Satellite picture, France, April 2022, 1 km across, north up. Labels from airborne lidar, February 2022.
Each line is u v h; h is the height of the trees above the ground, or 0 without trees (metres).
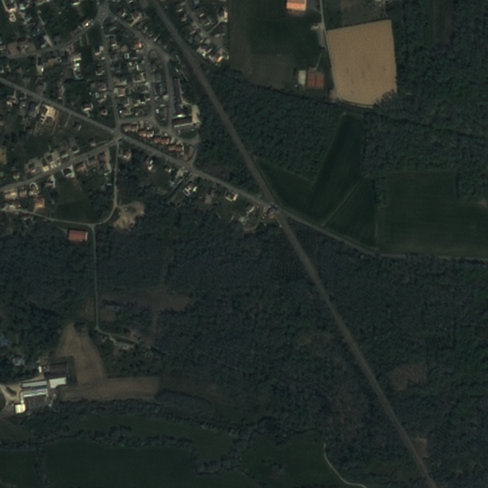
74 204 0
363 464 24
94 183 0
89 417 21
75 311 7
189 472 0
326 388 25
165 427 0
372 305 23
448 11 0
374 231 0
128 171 23
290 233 0
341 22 0
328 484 0
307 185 0
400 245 0
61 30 0
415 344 7
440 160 24
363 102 0
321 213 0
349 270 25
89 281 25
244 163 11
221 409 0
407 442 0
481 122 30
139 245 23
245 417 0
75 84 13
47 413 8
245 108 20
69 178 0
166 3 0
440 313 24
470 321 6
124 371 9
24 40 0
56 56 0
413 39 21
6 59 12
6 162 0
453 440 22
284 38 0
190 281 25
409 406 24
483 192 28
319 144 22
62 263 24
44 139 0
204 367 20
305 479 0
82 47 0
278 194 0
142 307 14
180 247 18
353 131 0
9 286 22
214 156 12
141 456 0
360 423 0
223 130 18
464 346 22
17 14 0
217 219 13
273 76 0
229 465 23
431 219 0
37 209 0
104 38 0
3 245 22
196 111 0
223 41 0
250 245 22
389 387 17
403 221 0
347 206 0
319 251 0
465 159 29
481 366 23
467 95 25
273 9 0
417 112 28
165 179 0
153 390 0
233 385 26
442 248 0
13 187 0
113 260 21
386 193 16
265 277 25
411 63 24
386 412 20
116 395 0
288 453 0
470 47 30
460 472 0
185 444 17
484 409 23
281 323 22
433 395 27
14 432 0
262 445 0
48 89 0
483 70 30
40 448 12
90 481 0
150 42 0
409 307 24
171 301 0
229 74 12
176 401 23
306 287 27
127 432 19
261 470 0
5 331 19
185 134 0
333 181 0
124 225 0
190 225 18
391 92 0
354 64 0
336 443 16
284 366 24
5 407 0
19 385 17
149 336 19
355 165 0
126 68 10
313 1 0
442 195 0
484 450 25
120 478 0
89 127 0
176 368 22
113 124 0
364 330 20
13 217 0
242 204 0
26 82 0
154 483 0
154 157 0
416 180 0
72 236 0
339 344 15
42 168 0
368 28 0
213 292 24
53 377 0
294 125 25
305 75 0
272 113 0
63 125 0
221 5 0
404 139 29
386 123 27
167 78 0
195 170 0
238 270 24
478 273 23
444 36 0
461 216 0
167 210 19
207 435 0
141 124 0
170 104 0
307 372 21
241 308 22
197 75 0
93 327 0
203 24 0
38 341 18
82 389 0
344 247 16
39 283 27
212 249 7
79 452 0
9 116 0
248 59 0
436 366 27
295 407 23
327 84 0
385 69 0
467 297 25
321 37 0
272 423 18
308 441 0
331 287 26
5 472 0
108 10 0
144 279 23
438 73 27
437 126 24
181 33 6
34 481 0
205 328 9
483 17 25
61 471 0
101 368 0
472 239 0
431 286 24
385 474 0
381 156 26
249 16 0
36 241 24
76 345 0
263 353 19
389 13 11
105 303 0
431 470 7
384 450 19
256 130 23
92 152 0
